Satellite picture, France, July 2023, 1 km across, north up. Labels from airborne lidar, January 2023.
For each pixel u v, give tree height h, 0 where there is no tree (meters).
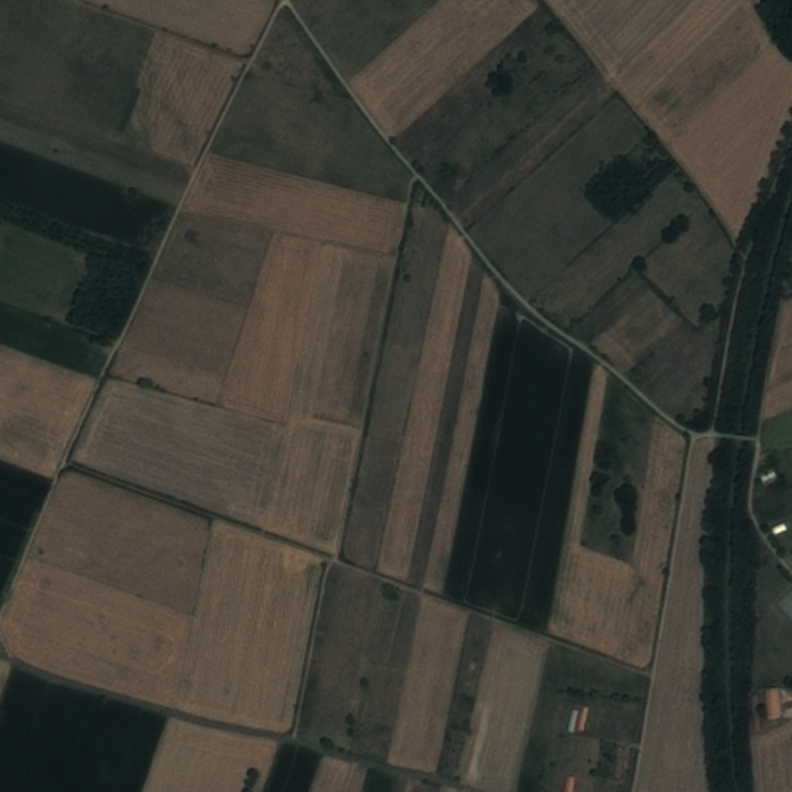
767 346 11
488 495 0
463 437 0
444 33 0
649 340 0
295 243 0
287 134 0
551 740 0
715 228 0
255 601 0
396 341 0
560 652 0
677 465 0
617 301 0
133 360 0
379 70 0
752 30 0
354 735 6
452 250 0
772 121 0
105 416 0
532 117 0
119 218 0
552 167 0
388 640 0
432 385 0
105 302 17
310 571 0
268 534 0
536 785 0
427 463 0
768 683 0
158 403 0
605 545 0
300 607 0
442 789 0
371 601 0
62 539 0
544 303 0
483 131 0
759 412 10
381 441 0
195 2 0
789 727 0
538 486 0
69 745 0
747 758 13
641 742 0
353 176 0
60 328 0
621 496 14
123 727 0
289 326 0
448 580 0
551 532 0
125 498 0
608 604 0
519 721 0
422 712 0
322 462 0
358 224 0
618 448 0
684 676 0
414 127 0
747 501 10
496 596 0
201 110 0
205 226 0
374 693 0
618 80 0
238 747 0
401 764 0
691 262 0
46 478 0
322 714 0
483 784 0
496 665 0
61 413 0
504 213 0
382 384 0
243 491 0
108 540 0
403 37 0
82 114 0
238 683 0
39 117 0
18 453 0
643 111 0
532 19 0
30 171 0
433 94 0
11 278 0
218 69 0
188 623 0
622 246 0
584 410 0
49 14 0
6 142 0
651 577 0
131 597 0
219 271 0
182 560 0
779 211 13
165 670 0
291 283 0
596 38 0
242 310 0
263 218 0
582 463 0
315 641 0
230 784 0
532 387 0
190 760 0
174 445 0
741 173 0
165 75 0
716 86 0
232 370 0
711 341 0
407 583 0
